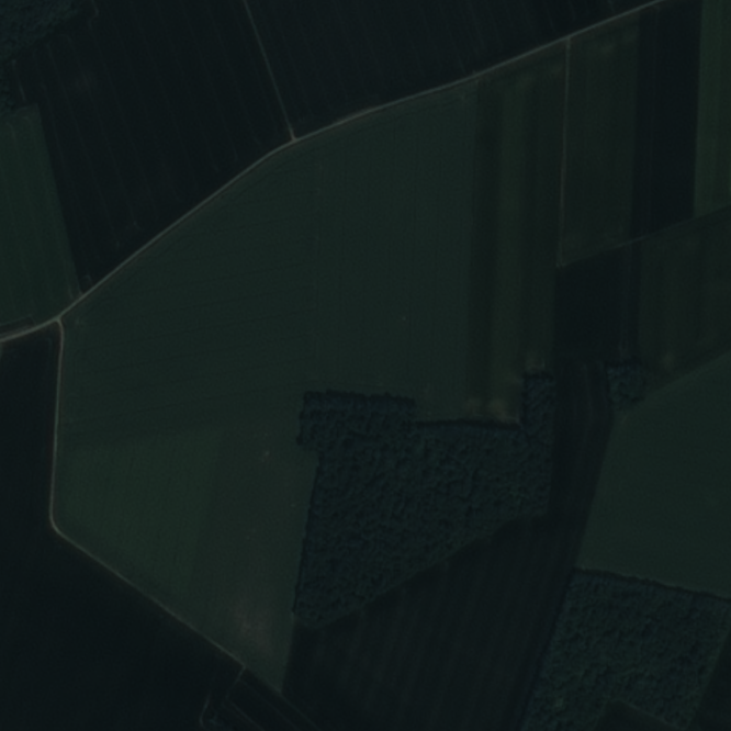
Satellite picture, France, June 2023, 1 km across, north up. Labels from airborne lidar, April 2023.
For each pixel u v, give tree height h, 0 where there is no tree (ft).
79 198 0
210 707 0
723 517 0
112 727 0
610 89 0
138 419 0
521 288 0
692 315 0
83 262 0
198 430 0
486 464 63
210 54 0
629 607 93
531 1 0
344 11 0
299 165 0
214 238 0
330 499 79
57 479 0
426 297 0
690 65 0
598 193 0
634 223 0
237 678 0
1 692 0
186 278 0
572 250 0
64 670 0
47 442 0
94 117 0
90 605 0
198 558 0
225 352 0
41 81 0
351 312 0
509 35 0
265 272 0
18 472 0
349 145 0
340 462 50
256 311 0
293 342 0
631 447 0
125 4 0
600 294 0
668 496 0
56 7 52
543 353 0
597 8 0
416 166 0
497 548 0
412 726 0
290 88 0
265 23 0
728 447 0
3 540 0
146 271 0
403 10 0
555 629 52
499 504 93
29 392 0
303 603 61
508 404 0
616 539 0
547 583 0
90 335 0
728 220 0
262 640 0
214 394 0
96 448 0
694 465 0
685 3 0
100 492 0
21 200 0
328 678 0
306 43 0
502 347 0
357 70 0
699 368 0
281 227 0
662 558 0
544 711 75
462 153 0
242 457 0
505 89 0
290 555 0
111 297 0
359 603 47
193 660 0
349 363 0
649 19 0
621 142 0
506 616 0
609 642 64
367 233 0
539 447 91
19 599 0
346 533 66
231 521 0
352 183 0
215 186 0
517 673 0
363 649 0
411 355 0
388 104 0
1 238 0
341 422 67
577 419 0
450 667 0
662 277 0
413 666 0
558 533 0
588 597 52
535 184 0
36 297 0
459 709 0
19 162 0
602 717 0
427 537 79
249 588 0
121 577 0
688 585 0
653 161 0
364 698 0
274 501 0
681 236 0
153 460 0
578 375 0
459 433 70
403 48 0
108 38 0
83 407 0
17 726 0
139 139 0
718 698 0
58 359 0
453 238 0
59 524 0
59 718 0
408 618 0
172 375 0
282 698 0
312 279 0
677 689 81
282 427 0
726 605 38
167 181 0
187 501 0
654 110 0
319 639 0
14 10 85
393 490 71
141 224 0
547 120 0
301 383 0
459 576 0
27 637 0
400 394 0
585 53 0
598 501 0
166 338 0
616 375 61
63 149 0
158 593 0
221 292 0
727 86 0
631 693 72
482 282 0
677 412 0
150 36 0
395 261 0
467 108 0
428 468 95
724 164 0
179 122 0
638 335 0
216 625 0
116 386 0
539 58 0
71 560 0
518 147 0
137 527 0
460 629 0
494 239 0
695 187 0
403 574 51
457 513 79
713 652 52
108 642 0
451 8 0
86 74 0
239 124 0
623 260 0
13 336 0
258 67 0
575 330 0
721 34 0
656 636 70
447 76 0
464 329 0
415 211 0
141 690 0
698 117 0
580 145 0
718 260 0
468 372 0
